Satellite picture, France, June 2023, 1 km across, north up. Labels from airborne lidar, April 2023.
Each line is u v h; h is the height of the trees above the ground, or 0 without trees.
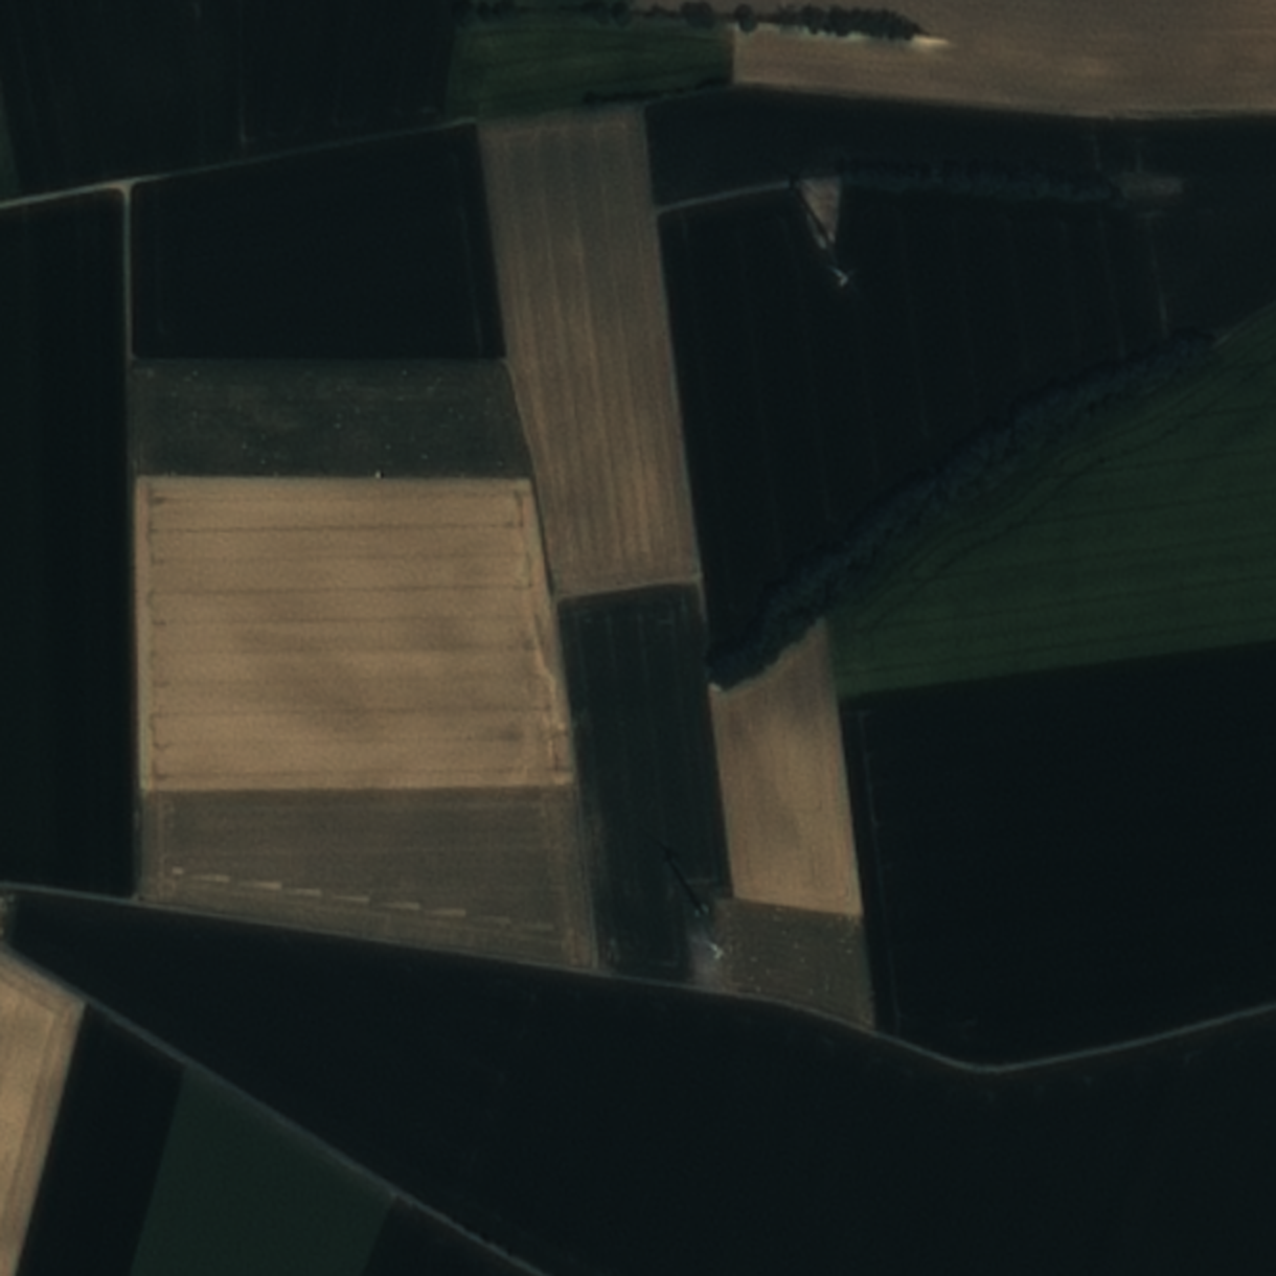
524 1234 0
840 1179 0
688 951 0
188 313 0
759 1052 0
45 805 0
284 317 0
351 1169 0
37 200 0
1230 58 0
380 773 0
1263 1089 0
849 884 0
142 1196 0
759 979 0
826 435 0
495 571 0
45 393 0
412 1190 0
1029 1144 0
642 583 0
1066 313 0
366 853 0
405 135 0
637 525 0
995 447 22
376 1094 0
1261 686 0
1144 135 0
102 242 0
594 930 0
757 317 0
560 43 0
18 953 0
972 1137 0
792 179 0
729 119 0
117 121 0
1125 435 0
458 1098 0
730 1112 0
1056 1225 0
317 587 0
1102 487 0
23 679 0
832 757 0
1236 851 0
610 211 0
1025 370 0
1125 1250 0
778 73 0
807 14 11
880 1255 0
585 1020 0
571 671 0
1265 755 0
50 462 0
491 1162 0
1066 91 0
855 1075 0
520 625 0
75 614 0
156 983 0
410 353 0
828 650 0
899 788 0
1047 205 0
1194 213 0
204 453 0
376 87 0
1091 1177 0
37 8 0
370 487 0
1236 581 0
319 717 0
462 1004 0
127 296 0
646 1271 0
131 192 0
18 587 0
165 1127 0
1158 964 0
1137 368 16
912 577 0
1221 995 0
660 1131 0
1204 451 0
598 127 0
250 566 0
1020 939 0
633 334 0
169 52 0
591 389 0
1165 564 0
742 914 0
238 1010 0
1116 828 0
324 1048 0
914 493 19
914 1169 0
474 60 0
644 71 0
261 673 0
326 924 0
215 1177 0
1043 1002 0
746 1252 0
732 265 0
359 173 0
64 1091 0
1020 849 0
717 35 0
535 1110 0
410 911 0
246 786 0
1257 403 0
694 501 0
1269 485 0
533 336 0
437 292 0
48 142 0
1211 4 0
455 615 0
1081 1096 0
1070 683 0
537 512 0
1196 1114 0
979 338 0
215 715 0
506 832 0
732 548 0
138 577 0
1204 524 0
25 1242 0
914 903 0
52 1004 0
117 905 0
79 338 0
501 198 0
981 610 0
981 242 0
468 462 0
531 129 0
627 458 0
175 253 0
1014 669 0
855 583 19
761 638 20
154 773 0
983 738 0
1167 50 0
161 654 0
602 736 0
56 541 0
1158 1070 0
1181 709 0
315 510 0
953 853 0
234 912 0
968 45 0
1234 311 0
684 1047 0
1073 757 0
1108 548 0
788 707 0
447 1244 0
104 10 0
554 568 0
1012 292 0
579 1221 0
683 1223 0
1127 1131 0
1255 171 0
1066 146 0
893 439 0
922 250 0
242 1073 0
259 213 0
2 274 0
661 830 0
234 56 0
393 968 0
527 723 0
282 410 0
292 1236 0
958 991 0
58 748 0
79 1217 0
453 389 0
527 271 0
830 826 0
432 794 0
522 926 0
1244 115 0
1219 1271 0
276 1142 0
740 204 0
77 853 0
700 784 0
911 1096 0
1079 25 0
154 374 0
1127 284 0
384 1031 0
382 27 0
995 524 0
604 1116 0
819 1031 0
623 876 0
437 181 0
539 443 0
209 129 0
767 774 0
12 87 0
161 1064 0
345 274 0
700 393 0
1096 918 0
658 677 0
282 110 0
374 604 0
